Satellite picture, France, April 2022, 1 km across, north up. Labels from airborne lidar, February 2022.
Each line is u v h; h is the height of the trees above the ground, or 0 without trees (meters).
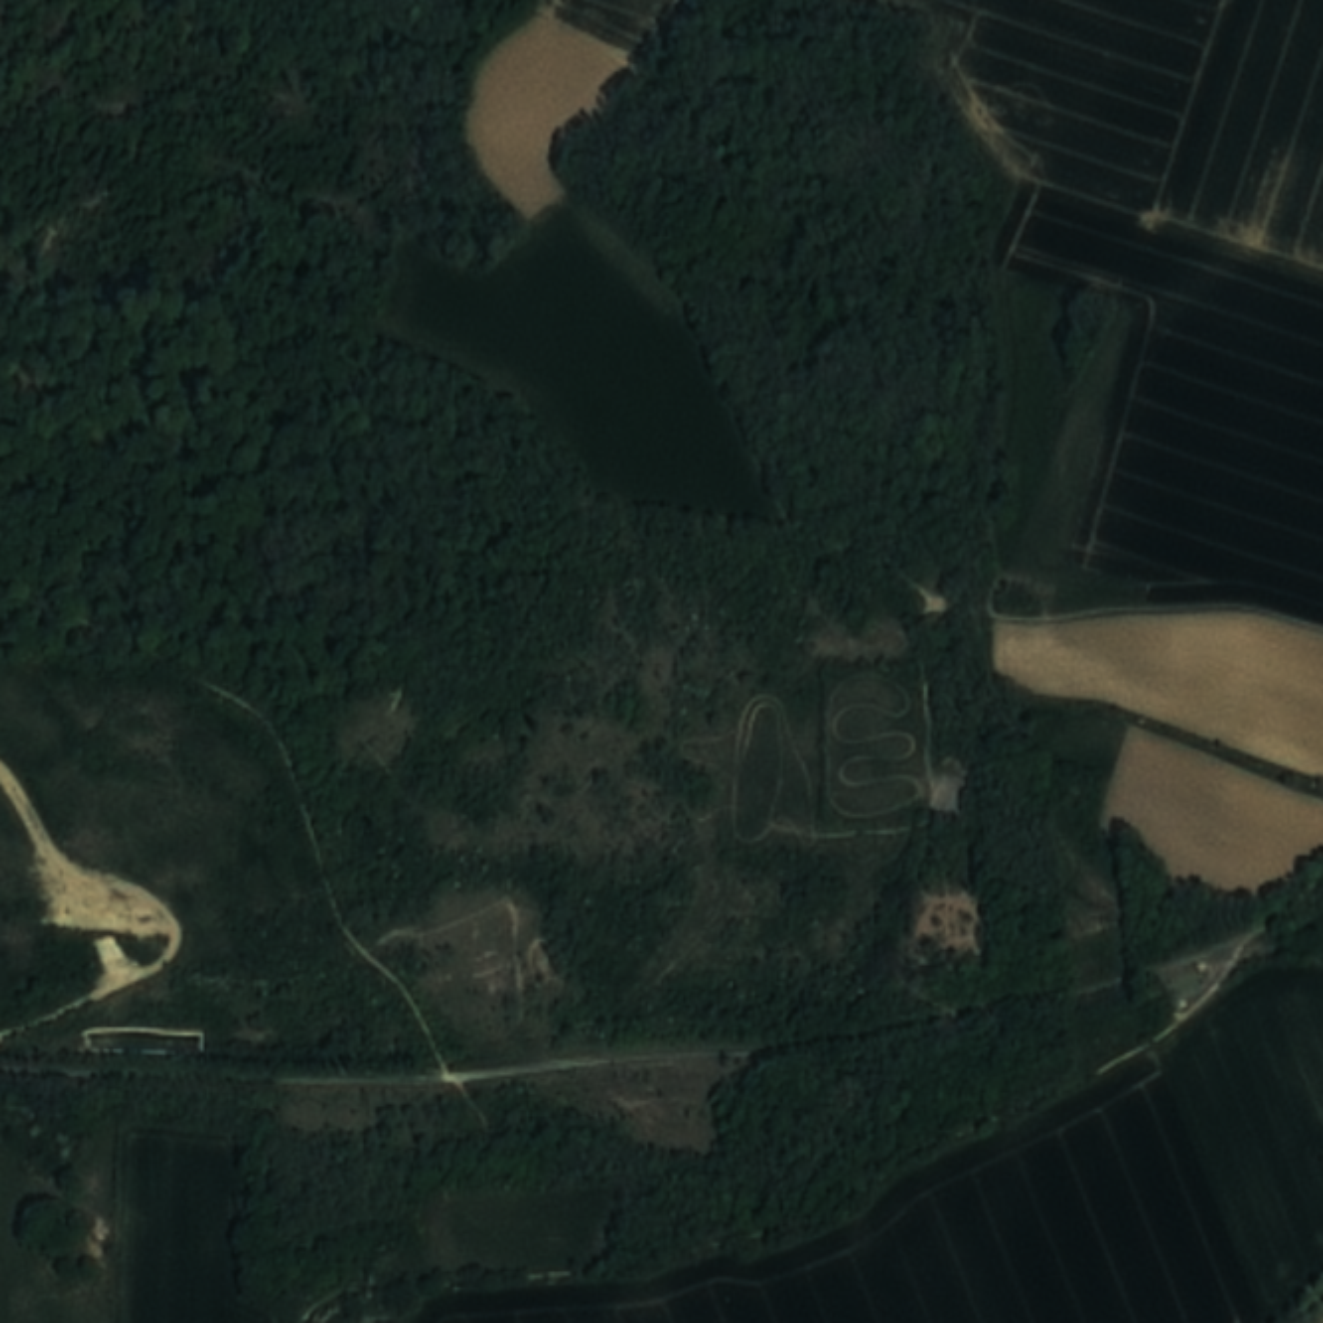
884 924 12
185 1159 0
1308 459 0
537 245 0
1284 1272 0
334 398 30
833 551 16
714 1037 15
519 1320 0
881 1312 0
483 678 14
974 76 0
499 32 24
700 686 5
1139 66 0
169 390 34
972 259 23
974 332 27
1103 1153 0
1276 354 0
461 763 7
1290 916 16
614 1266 16
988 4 0
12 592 25
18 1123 6
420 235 26
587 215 0
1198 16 0
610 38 0
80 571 28
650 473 0
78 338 34
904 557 18
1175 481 0
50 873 0
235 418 26
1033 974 17
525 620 19
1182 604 0
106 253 8
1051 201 0
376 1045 6
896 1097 22
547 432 13
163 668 8
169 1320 0
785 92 26
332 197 0
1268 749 0
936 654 19
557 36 0
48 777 0
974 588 21
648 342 0
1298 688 0
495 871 7
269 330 23
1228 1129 0
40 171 8
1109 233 0
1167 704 0
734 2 23
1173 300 0
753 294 22
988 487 19
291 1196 15
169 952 0
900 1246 0
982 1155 0
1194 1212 0
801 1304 0
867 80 27
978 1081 19
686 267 18
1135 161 0
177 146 6
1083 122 0
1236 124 0
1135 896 23
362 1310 8
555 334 0
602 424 0
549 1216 0
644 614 9
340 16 29
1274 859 0
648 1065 0
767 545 13
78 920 0
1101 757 0
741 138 28
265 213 24
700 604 6
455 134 23
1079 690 0
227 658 22
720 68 31
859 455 21
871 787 0
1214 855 0
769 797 0
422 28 29
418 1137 10
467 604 22
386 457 28
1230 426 0
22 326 36
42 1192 0
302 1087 0
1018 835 17
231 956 0
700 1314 0
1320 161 0
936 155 23
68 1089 13
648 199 22
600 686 9
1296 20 0
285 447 29
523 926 0
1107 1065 0
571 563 14
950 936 0
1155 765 0
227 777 0
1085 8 0
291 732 17
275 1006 7
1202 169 0
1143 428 0
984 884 17
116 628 27
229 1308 0
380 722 0
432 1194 7
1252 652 0
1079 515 0
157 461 26
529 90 0
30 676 0
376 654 22
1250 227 0
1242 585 0
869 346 29
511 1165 15
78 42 18
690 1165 9
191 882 0
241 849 0
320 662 26
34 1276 0
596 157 20
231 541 25
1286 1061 0
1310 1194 0
